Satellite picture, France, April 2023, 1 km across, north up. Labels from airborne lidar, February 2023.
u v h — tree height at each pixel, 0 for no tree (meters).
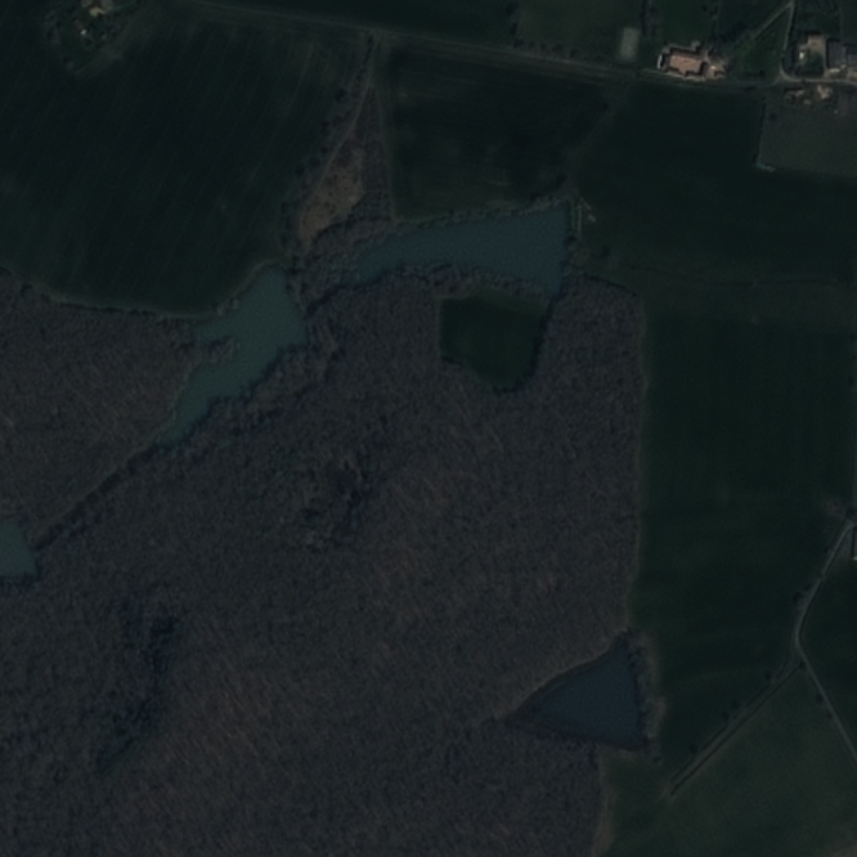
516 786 21
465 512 20
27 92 0
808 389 0
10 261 0
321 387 24
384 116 0
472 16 0
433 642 23
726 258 0
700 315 0
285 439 20
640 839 0
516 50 7
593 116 0
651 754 18
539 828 22
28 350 17
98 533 22
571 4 0
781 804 0
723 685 0
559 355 15
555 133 0
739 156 0
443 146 0
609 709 0
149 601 25
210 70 0
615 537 17
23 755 28
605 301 20
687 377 0
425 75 0
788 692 0
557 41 0
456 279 15
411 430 16
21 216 0
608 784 0
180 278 0
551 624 15
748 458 0
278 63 0
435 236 0
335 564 22
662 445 0
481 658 20
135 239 0
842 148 0
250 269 0
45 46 0
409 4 0
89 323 15
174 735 29
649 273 0
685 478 0
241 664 25
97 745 25
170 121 0
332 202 0
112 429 25
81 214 0
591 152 0
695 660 0
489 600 23
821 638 0
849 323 0
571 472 21
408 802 24
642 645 13
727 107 0
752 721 0
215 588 19
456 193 0
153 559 24
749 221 0
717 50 13
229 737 27
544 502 20
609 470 18
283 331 0
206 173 0
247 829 27
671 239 0
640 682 20
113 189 0
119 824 25
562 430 17
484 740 15
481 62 0
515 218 0
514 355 0
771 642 0
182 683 26
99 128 0
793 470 0
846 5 0
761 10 0
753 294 0
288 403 20
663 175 0
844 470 0
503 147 0
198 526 18
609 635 18
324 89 0
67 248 0
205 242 0
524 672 13
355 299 16
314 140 0
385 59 0
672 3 0
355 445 24
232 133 0
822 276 0
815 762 0
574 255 14
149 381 20
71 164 0
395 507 28
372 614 20
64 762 13
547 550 14
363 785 15
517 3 7
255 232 0
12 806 23
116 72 0
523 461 22
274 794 20
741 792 0
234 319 0
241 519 18
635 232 0
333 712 19
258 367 0
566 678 0
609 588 17
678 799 0
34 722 13
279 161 0
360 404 15
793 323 0
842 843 0
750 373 0
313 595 16
